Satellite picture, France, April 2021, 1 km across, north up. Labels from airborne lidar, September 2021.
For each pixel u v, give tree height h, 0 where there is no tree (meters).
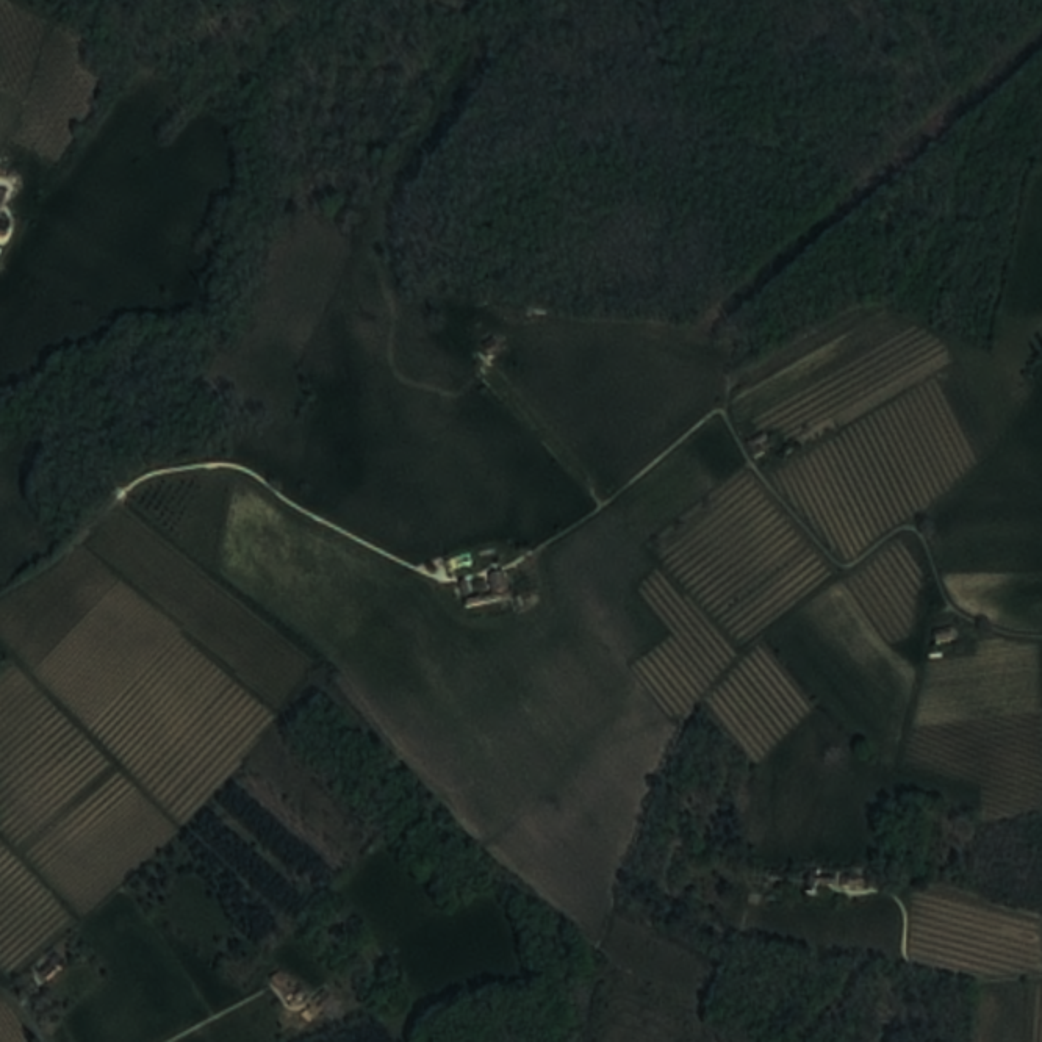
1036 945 0
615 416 0
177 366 19
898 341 0
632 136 17
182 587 0
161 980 0
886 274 22
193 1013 0
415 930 0
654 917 14
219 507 0
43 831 0
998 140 12
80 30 21
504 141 20
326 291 0
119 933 0
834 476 0
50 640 0
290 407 0
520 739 0
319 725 23
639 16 16
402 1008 21
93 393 20
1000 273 8
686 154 20
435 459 0
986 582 0
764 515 0
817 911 0
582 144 15
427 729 0
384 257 17
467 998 19
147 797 0
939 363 0
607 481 0
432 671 0
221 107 16
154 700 0
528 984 10
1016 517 0
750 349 13
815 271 18
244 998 0
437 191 21
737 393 7
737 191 18
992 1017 0
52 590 0
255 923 12
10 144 0
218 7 26
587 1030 7
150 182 0
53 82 0
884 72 16
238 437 21
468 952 0
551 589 0
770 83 22
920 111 17
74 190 0
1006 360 0
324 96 18
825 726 0
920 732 0
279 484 11
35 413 22
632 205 20
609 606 0
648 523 0
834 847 0
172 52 23
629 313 18
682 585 0
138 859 0
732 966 17
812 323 12
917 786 0
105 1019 0
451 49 20
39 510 18
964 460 0
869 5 16
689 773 17
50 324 0
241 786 10
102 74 18
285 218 17
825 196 21
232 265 15
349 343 0
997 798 0
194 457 22
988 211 13
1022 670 0
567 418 0
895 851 22
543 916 21
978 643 0
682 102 17
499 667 0
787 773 0
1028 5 19
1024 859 7
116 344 23
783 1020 18
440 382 0
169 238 0
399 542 0
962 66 16
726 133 20
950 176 20
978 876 16
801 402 0
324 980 0
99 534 0
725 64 24
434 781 0
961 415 0
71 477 23
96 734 0
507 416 0
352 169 8
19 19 0
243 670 0
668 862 16
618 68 15
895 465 0
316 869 13
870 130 16
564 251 19
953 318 13
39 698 0
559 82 17
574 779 0
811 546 0
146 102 0
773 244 22
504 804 0
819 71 21
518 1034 26
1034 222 0
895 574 0
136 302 0
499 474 0
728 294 17
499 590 0
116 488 21
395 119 9
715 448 0
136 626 0
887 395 0
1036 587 0
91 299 0
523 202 19
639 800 0
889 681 0
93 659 0
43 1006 12
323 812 0
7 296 0
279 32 26
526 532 0
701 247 20
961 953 0
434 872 27
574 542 0
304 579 0
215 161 0
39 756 0
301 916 17
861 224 17
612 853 0
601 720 0
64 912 0
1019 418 0
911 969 16
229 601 0
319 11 23
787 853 0
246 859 11
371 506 0
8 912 0
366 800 22
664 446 0
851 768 0
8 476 0
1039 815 9
